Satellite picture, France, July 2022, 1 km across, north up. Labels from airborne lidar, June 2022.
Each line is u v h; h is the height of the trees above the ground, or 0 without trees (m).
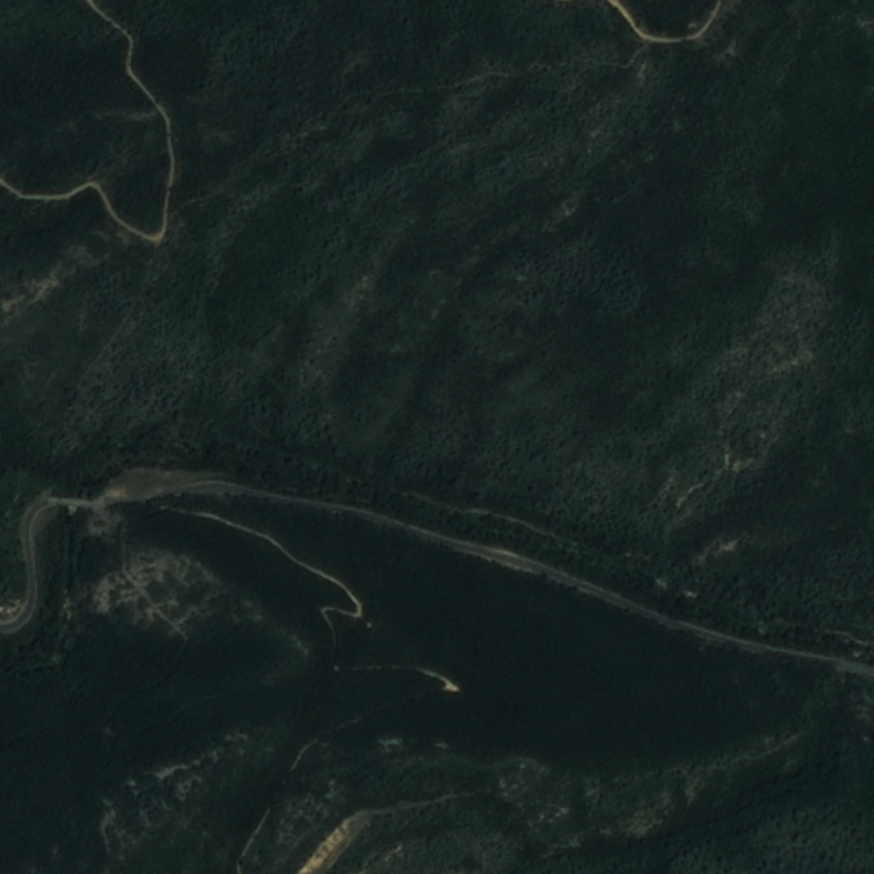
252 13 9
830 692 6
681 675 10
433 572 7
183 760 8
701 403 11
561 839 7
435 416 7
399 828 9
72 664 9
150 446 16
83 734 9
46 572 7
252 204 11
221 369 8
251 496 11
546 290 10
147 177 7
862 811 8
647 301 5
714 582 9
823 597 11
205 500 6
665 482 9
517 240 6
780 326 6
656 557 8
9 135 7
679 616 11
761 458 8
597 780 6
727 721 5
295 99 6
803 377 6
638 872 8
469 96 10
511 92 6
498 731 9
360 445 0
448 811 9
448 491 9
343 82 7
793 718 6
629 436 12
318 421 13
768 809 8
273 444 6
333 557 7
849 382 6
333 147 9
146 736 7
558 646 8
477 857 7
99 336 0
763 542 0
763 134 7
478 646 8
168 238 9
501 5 9
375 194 8
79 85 7
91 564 10
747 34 6
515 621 8
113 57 6
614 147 7
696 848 10
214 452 19
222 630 6
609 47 6
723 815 14
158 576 0
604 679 8
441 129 9
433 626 7
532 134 8
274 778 7
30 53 5
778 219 6
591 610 9
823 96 7
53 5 5
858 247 6
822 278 11
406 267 6
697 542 8
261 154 5
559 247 7
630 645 9
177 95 6
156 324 11
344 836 0
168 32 12
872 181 7
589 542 13
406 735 7
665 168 6
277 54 8
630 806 6
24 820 6
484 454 12
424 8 8
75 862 6
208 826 7
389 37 8
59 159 6
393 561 10
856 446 6
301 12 11
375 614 5
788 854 9
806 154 7
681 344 8
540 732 8
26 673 12
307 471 14
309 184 13
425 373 9
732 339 12
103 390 14
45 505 0
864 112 8
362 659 7
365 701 7
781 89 7
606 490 10
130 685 7
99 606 0
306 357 6
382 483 10
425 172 8
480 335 10
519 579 6
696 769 12
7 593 13
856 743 8
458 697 6
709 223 11
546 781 6
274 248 7
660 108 9
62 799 7
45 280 0
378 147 6
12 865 6
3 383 6
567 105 7
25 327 0
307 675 7
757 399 7
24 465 10
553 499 9
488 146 7
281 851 0
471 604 9
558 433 7
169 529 6
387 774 8
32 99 6
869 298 11
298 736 8
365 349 6
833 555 13
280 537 6
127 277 10
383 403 0
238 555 7
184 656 8
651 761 6
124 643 6
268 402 13
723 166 8
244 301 6
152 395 14
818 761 7
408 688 6
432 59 9
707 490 9
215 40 12
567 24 6
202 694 5
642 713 11
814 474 6
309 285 11
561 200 6
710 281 6
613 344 5
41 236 7
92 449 11
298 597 7
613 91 6
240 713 6
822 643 13
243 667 6
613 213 6
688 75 6
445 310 7
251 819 7
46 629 15
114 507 9
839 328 10
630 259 10
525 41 12
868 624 11
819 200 10
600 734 9
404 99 11
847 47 6
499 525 16
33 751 7
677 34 5
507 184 8
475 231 5
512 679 9
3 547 14
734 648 6
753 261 6
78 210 7
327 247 10
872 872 6
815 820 8
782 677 6
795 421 7
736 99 10
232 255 8
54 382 0
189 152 6
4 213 6
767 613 18
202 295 16
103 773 10
